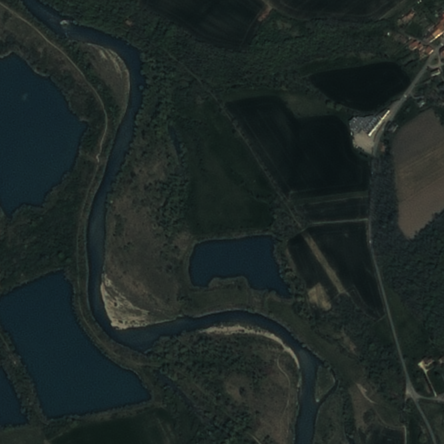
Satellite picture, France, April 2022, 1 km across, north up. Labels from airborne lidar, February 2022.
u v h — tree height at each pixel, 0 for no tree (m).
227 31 0
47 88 0
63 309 0
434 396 0
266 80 17
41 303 0
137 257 0
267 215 0
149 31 15
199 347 16
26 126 0
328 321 14
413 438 0
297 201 0
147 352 0
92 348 0
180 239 0
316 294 0
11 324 0
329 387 0
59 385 0
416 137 0
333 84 0
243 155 0
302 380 0
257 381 15
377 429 0
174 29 16
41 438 0
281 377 0
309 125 0
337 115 0
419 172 0
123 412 0
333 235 0
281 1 0
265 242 0
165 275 0
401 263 8
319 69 0
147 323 0
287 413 0
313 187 0
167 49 23
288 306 0
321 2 0
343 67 0
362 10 0
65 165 0
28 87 0
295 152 0
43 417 10
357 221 0
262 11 0
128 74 0
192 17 0
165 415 0
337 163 0
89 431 0
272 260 0
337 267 0
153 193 21
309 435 0
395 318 0
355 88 0
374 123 0
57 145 0
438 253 20
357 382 0
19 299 0
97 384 0
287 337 0
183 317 0
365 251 0
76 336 0
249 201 0
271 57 14
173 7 0
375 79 0
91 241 0
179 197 16
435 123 0
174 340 12
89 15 16
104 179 0
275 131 0
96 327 0
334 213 0
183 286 0
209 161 0
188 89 7
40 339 0
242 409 0
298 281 13
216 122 0
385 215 22
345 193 0
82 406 0
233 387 0
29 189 0
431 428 0
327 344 0
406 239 17
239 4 0
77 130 0
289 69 20
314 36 16
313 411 0
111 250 0
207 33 0
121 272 0
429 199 0
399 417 0
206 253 0
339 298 0
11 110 0
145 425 0
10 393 0
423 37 7
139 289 0
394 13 0
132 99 0
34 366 0
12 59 0
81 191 0
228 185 0
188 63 16
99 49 0
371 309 0
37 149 0
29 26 0
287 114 0
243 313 0
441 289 18
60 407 0
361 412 0
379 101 0
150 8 0
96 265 0
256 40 10
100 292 0
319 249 0
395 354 15
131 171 0
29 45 0
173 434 0
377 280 0
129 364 0
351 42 19
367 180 0
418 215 0
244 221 0
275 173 0
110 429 0
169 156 10
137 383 0
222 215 0
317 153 0
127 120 0
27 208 12
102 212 0
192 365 23
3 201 0
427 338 0
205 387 17
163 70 19
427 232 8
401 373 14
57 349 0
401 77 0
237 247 0
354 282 0
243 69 20
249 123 0
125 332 0
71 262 14
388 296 0
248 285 0
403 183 0
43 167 0
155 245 0
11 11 0
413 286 21
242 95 0
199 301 0
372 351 11
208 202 0
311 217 0
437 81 14
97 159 0
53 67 0
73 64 0
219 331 0
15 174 0
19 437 0
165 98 16
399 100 0
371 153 0
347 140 0
